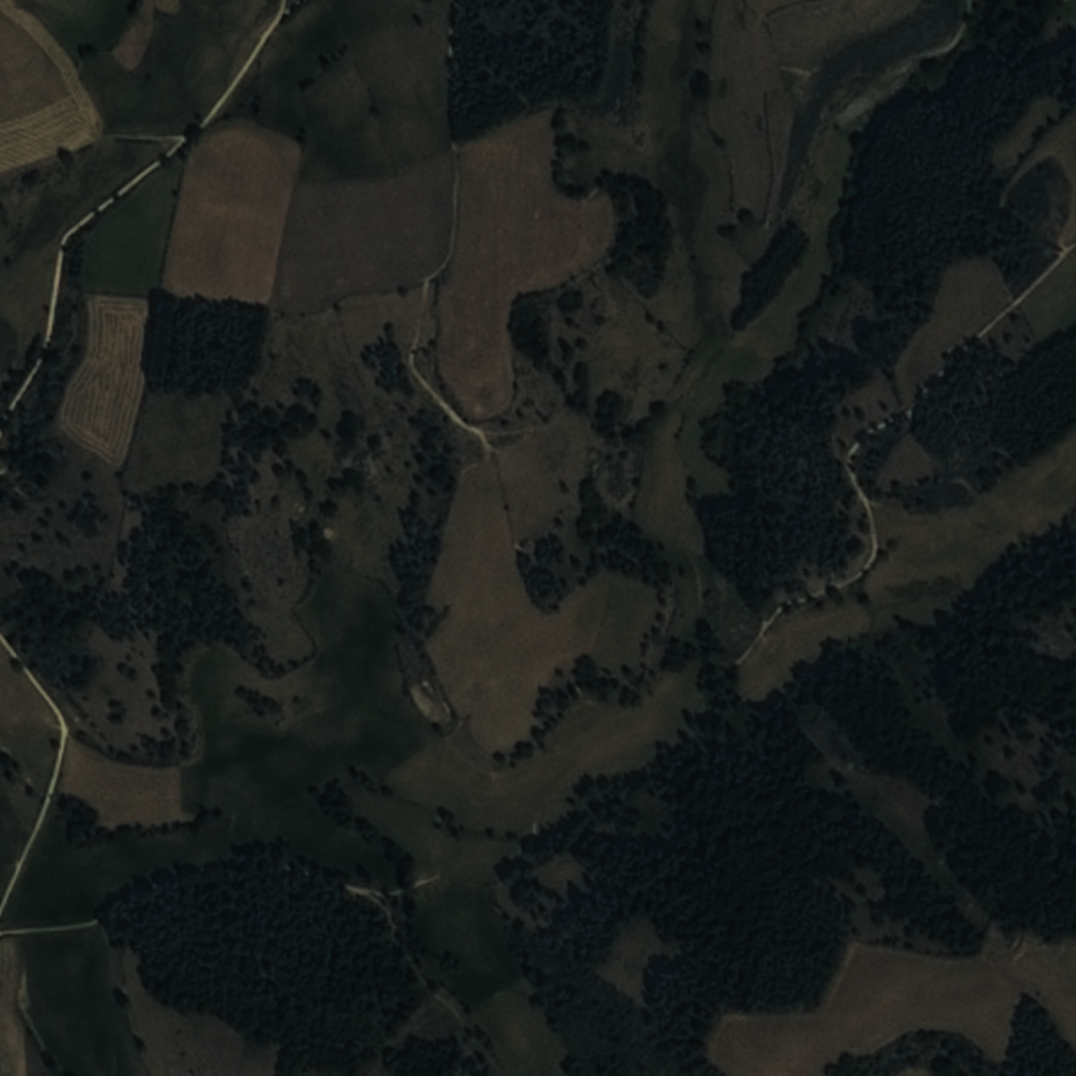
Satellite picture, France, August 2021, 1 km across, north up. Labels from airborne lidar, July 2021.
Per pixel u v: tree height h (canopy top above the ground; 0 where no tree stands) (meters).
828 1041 0
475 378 0
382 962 15
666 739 0
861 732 14
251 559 0
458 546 0
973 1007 0
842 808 10
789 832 21
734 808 21
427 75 0
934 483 6
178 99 0
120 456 0
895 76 0
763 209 0
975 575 0
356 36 0
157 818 0
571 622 0
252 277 0
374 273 0
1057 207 0
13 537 0
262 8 0
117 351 0
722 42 0
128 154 0
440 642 0
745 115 0
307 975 13
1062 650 0
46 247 0
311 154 0
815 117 0
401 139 0
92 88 0
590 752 0
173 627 15
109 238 0
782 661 0
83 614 8
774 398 18
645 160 0
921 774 14
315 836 0
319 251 0
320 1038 14
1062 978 0
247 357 18
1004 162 0
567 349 19
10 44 0
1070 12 0
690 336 0
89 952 0
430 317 0
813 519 16
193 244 0
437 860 0
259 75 0
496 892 0
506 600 0
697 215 0
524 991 0
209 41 0
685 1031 11
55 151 0
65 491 0
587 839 10
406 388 10
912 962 0
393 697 0
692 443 0
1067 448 0
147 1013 0
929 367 0
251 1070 0
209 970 11
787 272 20
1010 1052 8
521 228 0
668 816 0
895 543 11
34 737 0
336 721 0
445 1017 0
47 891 0
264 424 6
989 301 0
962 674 23
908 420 15
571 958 9
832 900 11
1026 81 19
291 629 0
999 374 15
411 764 0
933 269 13
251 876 19
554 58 12
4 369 0
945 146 16
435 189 0
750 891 17
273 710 13
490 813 0
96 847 7
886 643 7
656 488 0
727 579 19
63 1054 0
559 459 0
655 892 12
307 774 0
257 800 0
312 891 12
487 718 0
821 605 10
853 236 17
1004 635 15
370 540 0
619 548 11
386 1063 8
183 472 0
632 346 0
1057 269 0
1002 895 14
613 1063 9
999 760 0
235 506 14
